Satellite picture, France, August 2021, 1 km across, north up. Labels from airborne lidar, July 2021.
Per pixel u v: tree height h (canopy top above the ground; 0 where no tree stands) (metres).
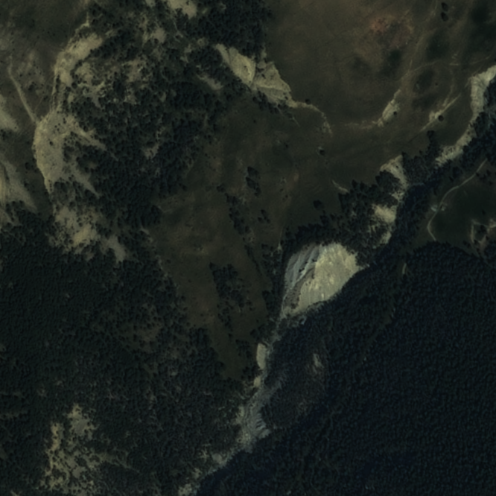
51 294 15
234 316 0
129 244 13
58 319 16
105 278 10
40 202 0
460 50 0
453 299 22
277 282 11
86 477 7
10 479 15
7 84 0
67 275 14
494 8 0
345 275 0
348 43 0
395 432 16
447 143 0
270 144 0
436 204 0
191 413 12
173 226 0
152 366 7
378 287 15
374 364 8
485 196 0
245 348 12
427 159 13
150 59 14
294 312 0
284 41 0
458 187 0
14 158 0
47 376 22
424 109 0
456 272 17
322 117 0
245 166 0
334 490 14
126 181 15
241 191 0
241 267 0
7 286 10
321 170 0
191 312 0
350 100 0
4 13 0
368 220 13
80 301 15
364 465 12
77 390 11
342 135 0
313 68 0
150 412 16
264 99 8
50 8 0
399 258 19
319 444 14
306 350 14
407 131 0
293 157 0
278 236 0
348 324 16
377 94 0
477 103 0
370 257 14
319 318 15
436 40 0
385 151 0
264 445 10
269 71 0
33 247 17
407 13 0
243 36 11
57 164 0
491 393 19
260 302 0
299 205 0
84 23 0
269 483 13
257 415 0
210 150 0
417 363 18
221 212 0
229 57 0
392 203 8
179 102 18
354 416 14
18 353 17
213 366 25
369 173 0
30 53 0
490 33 0
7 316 23
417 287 14
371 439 15
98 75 0
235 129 0
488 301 24
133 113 17
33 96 0
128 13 0
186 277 0
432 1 0
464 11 0
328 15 0
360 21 0
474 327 17
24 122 0
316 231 18
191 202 0
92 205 12
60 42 0
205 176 0
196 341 8
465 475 13
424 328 19
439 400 16
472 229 0
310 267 0
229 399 13
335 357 25
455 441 16
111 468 11
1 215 0
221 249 0
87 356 18
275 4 0
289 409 10
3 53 0
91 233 0
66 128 0
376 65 0
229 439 8
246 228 7
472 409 16
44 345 16
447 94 0
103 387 17
